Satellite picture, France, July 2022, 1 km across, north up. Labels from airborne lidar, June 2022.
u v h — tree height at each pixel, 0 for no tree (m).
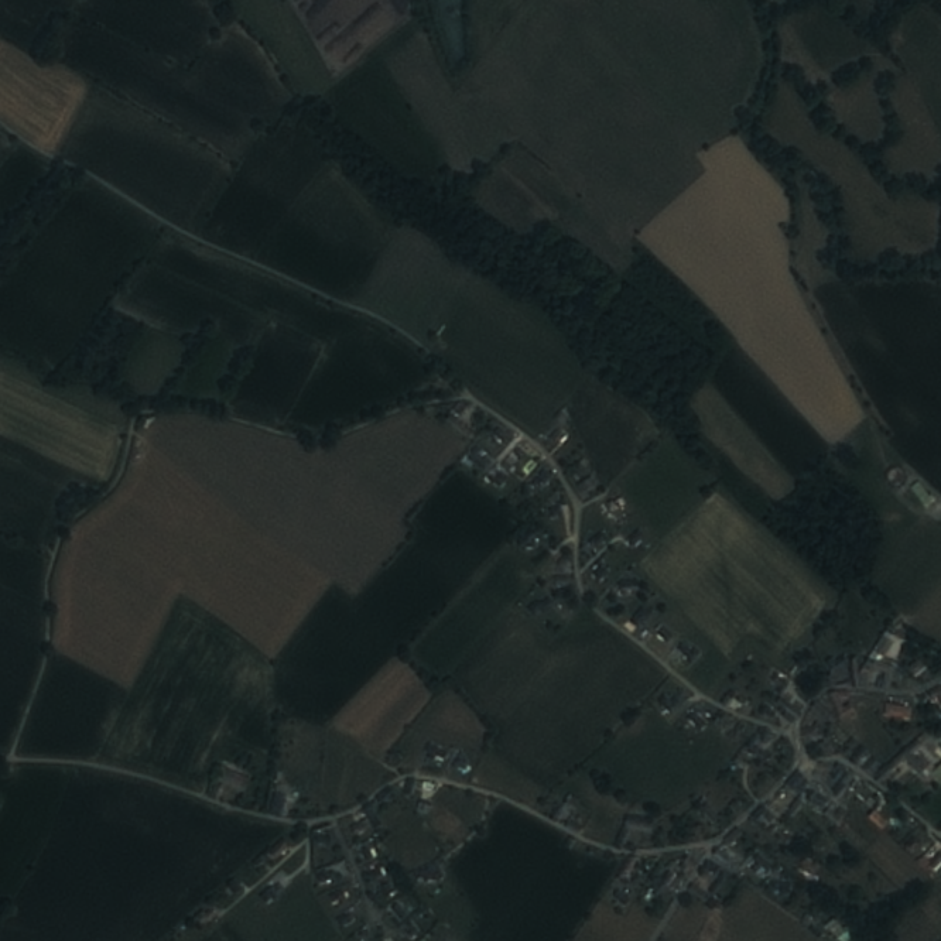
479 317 0
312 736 0
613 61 0
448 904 0
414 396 13
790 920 0
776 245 0
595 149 0
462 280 0
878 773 0
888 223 0
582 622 0
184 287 0
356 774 0
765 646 0
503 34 0
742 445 0
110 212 0
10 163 0
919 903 15
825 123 29
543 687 0
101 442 0
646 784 0
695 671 0
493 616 0
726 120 0
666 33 0
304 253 0
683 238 0
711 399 0
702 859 0
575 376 0
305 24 0
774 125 0
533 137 0
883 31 21
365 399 0
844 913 16
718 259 0
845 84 18
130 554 0
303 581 0
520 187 0
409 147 0
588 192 0
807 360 0
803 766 0
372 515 0
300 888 0
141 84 0
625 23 0
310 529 0
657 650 0
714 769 0
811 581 0
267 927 0
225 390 21
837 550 26
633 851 7
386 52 0
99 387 18
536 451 0
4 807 0
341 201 0
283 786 0
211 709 0
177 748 0
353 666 0
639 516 0
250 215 0
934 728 12
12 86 0
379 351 0
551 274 27
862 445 0
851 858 19
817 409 0
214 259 0
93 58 0
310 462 0
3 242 18
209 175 0
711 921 0
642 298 11
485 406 0
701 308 8
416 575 0
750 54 0
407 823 0
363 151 9
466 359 0
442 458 0
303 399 0
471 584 0
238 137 0
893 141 19
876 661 0
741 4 0
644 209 0
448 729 0
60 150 0
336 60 0
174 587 0
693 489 0
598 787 16
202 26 0
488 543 0
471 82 0
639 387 10
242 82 0
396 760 0
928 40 0
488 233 17
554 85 0
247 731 0
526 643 0
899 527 0
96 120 0
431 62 0
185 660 0
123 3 0
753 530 0
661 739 0
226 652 0
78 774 0
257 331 0
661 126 0
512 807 0
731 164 0
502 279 17
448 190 17
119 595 0
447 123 0
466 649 0
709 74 0
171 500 0
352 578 0
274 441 0
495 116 0
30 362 7
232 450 0
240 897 0
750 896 0
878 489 0
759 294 0
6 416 0
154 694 0
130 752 0
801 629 0
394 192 19
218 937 0
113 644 0
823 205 21
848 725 0
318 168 0
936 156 0
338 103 0
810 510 24
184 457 0
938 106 0
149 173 0
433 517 0
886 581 0
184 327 0
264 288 0
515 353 0
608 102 0
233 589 0
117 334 22
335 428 17
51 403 0
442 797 0
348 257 0
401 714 0
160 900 0
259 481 0
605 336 22
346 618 0
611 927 0
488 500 0
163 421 0
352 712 0
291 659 0
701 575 0
